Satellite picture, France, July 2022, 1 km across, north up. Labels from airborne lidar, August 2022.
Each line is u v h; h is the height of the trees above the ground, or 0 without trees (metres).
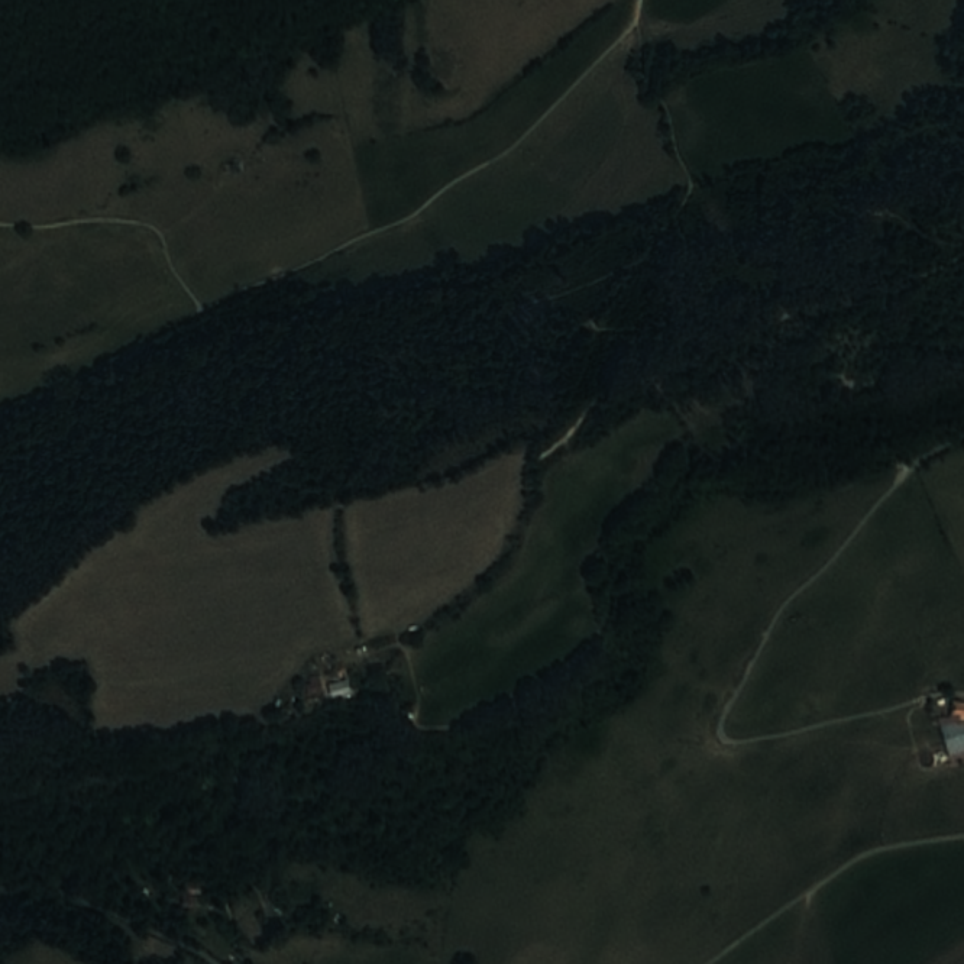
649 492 17
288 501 11
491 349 13
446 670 0
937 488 0
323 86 0
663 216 14
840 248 24
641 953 0
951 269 13
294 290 22
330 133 0
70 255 0
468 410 23
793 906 0
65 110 21
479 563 0
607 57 0
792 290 24
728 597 0
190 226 0
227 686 0
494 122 0
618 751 0
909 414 11
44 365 0
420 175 0
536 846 0
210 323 8
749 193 6
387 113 0
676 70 14
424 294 26
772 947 0
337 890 0
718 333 24
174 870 24
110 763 12
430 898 0
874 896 0
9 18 11
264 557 0
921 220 11
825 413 21
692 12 0
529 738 13
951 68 23
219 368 23
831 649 0
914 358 24
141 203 0
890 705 0
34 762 8
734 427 15
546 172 0
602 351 6
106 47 17
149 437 19
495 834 6
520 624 0
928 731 0
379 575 0
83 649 0
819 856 0
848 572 0
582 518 0
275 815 24
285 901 7
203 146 0
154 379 21
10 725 19
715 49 12
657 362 22
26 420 18
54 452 12
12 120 21
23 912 23
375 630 0
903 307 21
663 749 0
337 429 8
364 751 28
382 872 7
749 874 0
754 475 19
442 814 18
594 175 0
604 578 27
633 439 0
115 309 0
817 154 9
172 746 13
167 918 14
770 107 0
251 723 11
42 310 0
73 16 15
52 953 0
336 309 32
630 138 0
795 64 0
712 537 0
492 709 24
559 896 0
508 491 0
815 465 21
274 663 0
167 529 0
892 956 0
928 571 0
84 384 23
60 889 7
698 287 24
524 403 18
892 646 0
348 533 0
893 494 0
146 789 17
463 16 0
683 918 0
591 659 23
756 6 0
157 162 0
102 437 14
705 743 0
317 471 13
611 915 0
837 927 0
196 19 20
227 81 28
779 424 20
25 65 14
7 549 20
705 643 0
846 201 18
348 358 16
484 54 0
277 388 23
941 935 0
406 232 0
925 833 0
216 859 20
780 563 0
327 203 0
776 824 0
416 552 0
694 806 0
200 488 0
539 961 0
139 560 0
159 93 24
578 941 0
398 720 25
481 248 0
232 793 9
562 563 0
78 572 0
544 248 24
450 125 6
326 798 20
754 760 0
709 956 0
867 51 0
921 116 12
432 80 8
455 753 8
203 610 0
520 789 7
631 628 24
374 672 17
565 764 0
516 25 0
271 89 16
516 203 0
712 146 0
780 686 0
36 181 0
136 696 0
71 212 0
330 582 0
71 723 21
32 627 0
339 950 0
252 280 0
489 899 0
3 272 0
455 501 0
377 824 25
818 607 0
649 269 8
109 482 18
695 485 26
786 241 22
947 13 0
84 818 20
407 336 13
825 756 0
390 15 21
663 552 0
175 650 0
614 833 0
